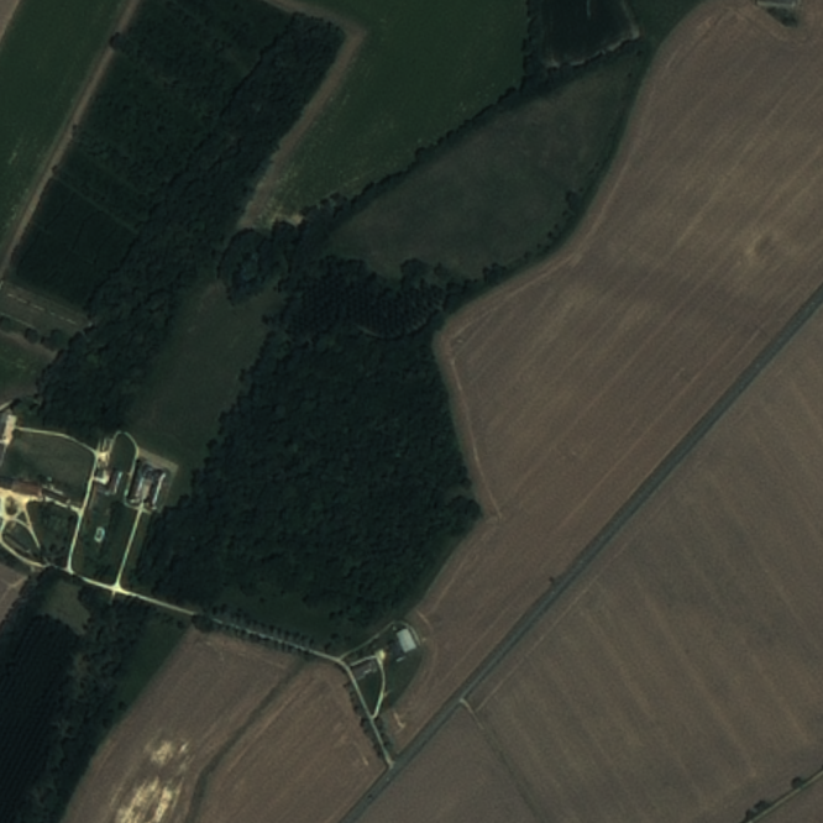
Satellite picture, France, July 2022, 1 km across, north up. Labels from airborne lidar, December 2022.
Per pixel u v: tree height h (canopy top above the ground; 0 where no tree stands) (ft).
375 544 53
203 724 0
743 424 0
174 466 0
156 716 0
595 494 0
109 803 0
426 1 0
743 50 0
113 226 23
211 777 0
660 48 0
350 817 0
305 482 80
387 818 0
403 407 73
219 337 0
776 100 0
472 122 38
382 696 0
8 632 47
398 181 57
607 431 0
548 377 0
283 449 98
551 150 0
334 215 94
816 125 0
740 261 0
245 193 44
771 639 0
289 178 0
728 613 0
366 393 81
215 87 33
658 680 0
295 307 79
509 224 0
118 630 88
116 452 0
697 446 0
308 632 0
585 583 0
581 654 0
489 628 0
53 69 0
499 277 59
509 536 0
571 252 0
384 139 0
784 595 0
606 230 0
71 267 20
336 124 0
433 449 55
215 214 58
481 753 0
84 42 0
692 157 0
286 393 94
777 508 0
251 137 70
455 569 0
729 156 0
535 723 0
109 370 54
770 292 0
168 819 0
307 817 0
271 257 77
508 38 0
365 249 0
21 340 0
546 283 0
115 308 53
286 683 0
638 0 0
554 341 0
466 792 0
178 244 67
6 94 0
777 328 0
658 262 0
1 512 0
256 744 0
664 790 0
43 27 0
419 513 54
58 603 0
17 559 26
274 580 65
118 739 0
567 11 0
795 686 0
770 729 0
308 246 110
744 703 0
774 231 0
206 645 0
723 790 0
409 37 0
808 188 0
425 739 0
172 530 80
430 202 0
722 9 0
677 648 0
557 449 0
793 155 0
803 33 0
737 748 0
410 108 0
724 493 0
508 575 0
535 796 0
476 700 0
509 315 0
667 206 0
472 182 0
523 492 0
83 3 0
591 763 0
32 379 0
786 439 0
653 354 0
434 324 61
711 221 0
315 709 0
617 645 0
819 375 0
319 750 0
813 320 0
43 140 0
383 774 0
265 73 60
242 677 0
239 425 90
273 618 0
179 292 63
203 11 21
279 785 0
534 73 61
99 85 0
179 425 0
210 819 0
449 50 0
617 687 0
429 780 0
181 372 0
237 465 96
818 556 0
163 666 0
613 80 0
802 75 0
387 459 67
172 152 18
